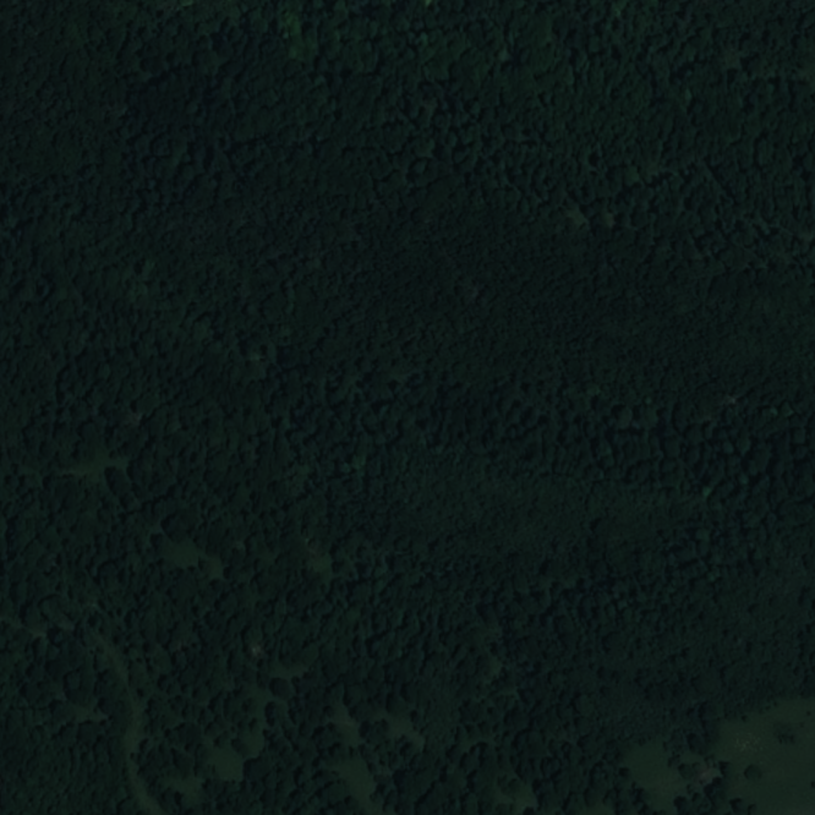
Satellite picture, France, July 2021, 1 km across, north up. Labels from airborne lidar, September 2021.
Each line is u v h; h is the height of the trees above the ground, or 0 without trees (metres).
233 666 27
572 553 16
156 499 9
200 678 28
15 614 7
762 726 0
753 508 27
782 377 25
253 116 38
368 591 13
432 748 9
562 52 34
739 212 35
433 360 18
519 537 11
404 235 32
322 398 29
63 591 31
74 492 33
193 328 30
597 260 16
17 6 19
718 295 28
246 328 9
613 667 10
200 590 30
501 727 12
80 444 20
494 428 32
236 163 29
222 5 10
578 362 27
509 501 9
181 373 31
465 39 31
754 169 34
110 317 27
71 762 20
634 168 29
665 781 0
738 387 16
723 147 30
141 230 18
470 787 7
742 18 9
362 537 10
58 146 23
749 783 0
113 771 20
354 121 31
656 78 34
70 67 20
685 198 31
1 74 32
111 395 29
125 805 29
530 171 32
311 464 28
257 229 15
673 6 30
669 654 9
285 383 32
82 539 28
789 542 26
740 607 7
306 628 30
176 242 20
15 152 30
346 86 33
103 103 21
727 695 10
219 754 0
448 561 11
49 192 27
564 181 33
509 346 20
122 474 27
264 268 24
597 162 30
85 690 31
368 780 0
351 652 26
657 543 8
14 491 7
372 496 15
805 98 27
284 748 34
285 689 30
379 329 23
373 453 10
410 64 35
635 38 24
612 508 16
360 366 24
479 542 11
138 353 30
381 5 30
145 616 26
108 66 12
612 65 32
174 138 36
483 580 31
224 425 26
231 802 28
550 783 19
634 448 36
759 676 9
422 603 21
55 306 30
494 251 19
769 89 38
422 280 24
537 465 23
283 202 20
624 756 10
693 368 22
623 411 36
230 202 21
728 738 0
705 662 9
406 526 18
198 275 21
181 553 0
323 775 22
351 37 31
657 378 20
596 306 18
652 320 15
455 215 22
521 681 25
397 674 29
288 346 8
